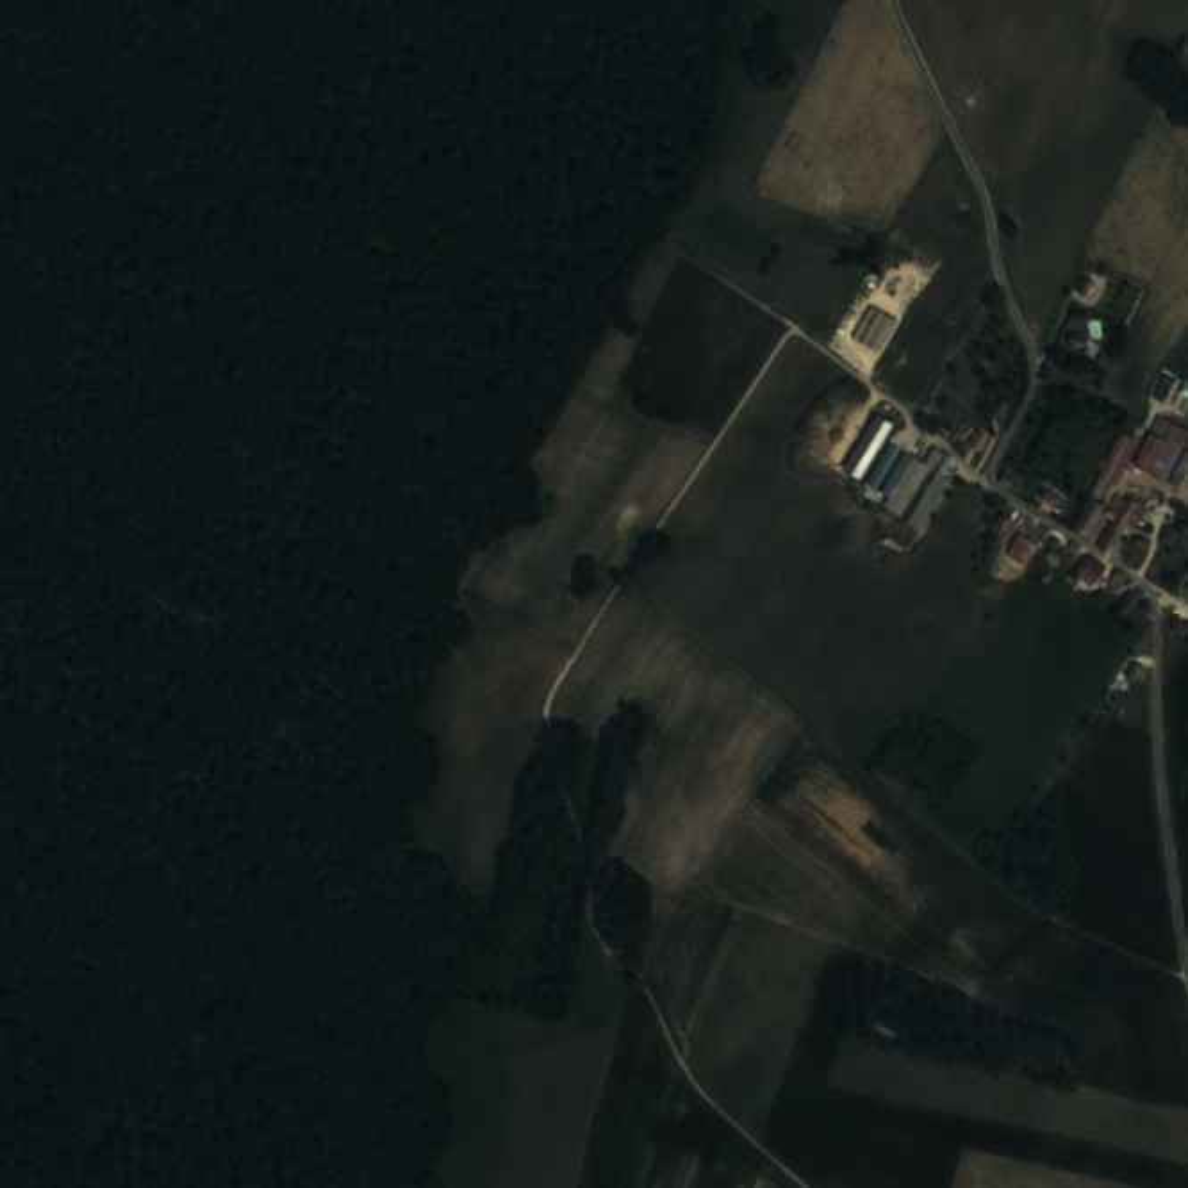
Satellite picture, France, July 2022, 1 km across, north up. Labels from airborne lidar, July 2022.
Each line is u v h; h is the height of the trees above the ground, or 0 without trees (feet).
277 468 41
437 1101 53
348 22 73
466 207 51
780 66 58
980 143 0
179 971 53
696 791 0
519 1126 0
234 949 59
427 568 71
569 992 51
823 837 0
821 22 0
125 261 68
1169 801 0
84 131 59
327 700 72
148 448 56
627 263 81
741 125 0
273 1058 68
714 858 0
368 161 73
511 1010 26
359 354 67
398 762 66
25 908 70
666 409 31
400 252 56
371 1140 65
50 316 62
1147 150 0
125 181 73
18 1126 84
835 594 0
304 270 84
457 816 0
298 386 63
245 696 66
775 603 0
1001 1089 0
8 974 70
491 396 60
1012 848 49
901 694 0
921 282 0
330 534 64
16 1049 45
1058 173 0
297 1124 69
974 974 0
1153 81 58
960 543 0
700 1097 0
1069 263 0
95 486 55
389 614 91
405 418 56
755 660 0
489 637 0
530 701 0
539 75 80
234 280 72
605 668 0
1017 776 0
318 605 68
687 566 0
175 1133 69
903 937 0
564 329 68
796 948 0
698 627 0
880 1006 63
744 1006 0
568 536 0
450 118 60
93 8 64
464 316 70
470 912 64
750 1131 0
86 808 68
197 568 72
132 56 66
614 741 76
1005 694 0
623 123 77
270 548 52
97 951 56
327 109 80
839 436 0
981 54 0
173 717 80
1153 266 0
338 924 51
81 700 75
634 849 0
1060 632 0
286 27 61
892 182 0
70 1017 64
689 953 0
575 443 0
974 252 0
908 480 0
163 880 57
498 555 0
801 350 0
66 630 76
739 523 0
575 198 76
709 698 0
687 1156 0
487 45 75
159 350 72
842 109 0
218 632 68
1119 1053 0
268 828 63
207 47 59
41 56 69
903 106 0
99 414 61
